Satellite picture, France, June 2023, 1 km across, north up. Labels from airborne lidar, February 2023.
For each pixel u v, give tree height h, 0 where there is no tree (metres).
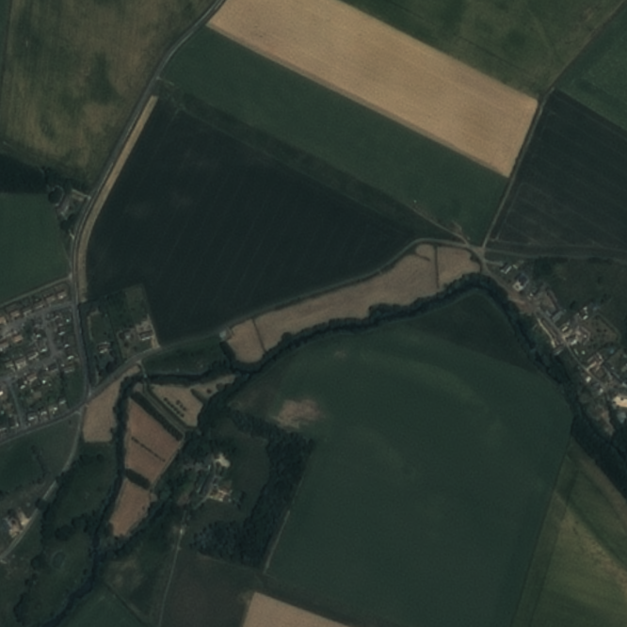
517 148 0
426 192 0
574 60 0
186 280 0
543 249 0
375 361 0
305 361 0
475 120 0
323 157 0
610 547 0
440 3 0
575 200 0
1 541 0
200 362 0
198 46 0
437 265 0
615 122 0
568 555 0
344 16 0
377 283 0
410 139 0
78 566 0
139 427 0
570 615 0
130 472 9
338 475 0
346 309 0
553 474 0
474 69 0
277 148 0
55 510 17
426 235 0
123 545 14
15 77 0
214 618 0
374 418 0
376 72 0
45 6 0
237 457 11
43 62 0
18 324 0
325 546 0
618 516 0
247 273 0
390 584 0
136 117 0
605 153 0
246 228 0
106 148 0
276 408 0
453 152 0
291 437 6
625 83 0
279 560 0
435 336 0
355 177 0
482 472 0
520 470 0
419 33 0
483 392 0
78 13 0
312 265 0
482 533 0
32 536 0
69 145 0
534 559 0
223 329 0
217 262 0
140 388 0
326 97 0
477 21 0
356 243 0
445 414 0
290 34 0
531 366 0
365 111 0
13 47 0
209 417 16
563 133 0
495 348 0
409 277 0
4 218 0
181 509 14
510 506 0
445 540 0
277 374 0
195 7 0
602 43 0
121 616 0
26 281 0
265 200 0
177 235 0
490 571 0
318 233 0
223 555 20
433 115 0
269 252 0
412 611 0
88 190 14
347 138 0
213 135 0
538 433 0
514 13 0
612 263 10
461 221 0
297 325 0
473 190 0
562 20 0
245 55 0
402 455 0
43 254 0
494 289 12
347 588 0
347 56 0
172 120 0
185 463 14
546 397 0
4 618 0
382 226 0
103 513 8
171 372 0
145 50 0
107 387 0
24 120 0
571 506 0
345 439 0
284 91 0
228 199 0
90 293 0
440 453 0
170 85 0
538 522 0
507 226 0
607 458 12
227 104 0
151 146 0
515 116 0
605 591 0
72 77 0
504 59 0
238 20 0
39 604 0
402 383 0
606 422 0
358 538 0
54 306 0
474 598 0
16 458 0
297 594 0
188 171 0
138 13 0
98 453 0
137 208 0
